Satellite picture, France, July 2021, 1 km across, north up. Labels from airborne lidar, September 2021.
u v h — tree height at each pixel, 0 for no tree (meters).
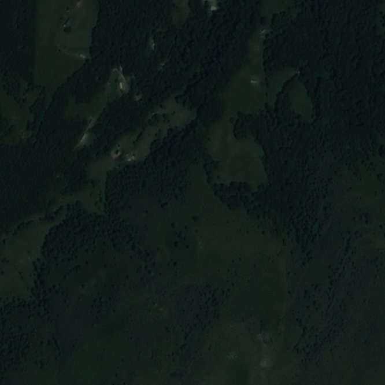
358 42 30
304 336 12
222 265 0
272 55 9
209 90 30
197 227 0
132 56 18
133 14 26
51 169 19
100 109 0
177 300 0
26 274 0
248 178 0
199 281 0
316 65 31
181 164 16
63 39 0
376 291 0
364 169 0
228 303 0
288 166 32
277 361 0
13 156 22
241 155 0
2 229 8
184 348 9
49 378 0
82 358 0
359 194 0
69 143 14
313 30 28
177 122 0
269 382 0
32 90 13
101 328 0
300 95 0
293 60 22
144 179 18
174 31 24
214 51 19
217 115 21
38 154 22
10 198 20
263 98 0
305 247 16
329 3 31
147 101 16
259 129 23
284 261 0
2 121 11
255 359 0
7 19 33
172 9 16
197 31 34
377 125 19
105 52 36
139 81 17
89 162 14
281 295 0
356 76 25
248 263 0
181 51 28
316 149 12
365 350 0
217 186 16
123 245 16
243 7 32
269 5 0
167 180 11
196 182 0
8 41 29
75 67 0
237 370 0
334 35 35
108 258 0
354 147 14
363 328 0
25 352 11
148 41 21
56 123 28
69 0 0
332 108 27
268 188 16
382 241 0
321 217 0
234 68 29
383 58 20
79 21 0
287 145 32
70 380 0
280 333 8
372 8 23
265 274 0
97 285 7
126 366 0
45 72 0
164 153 22
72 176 8
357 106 25
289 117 13
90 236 13
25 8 35
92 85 23
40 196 28
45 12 0
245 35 39
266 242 0
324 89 36
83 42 0
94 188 7
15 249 0
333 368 0
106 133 19
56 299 0
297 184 15
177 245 18
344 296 0
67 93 12
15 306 12
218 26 24
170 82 10
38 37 0
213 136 0
